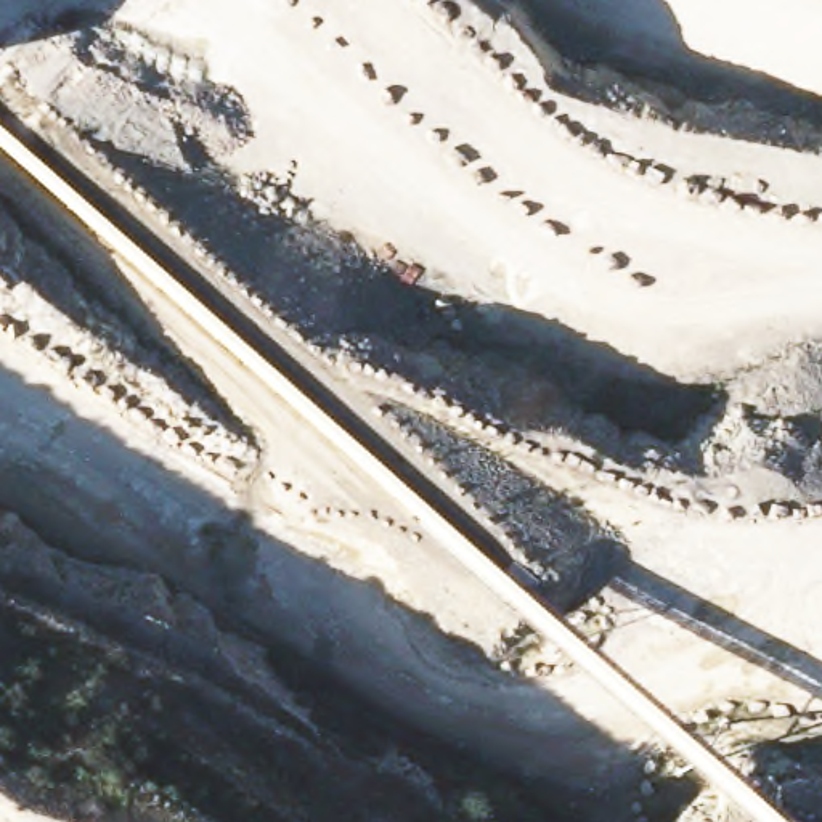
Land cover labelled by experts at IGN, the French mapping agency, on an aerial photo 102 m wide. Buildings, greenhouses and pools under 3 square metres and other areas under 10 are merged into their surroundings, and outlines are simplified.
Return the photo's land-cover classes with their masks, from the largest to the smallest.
<instances>
[{"label":"pervious surface","instance_id":"1","mask_svg":"<svg viewBox=\"0 0 822 822\"><path fill-rule=\"evenodd\" d=\"M0 822H822V0H0Z\"/></svg>","mask_w":822,"mask_h":822}]
</instances>
